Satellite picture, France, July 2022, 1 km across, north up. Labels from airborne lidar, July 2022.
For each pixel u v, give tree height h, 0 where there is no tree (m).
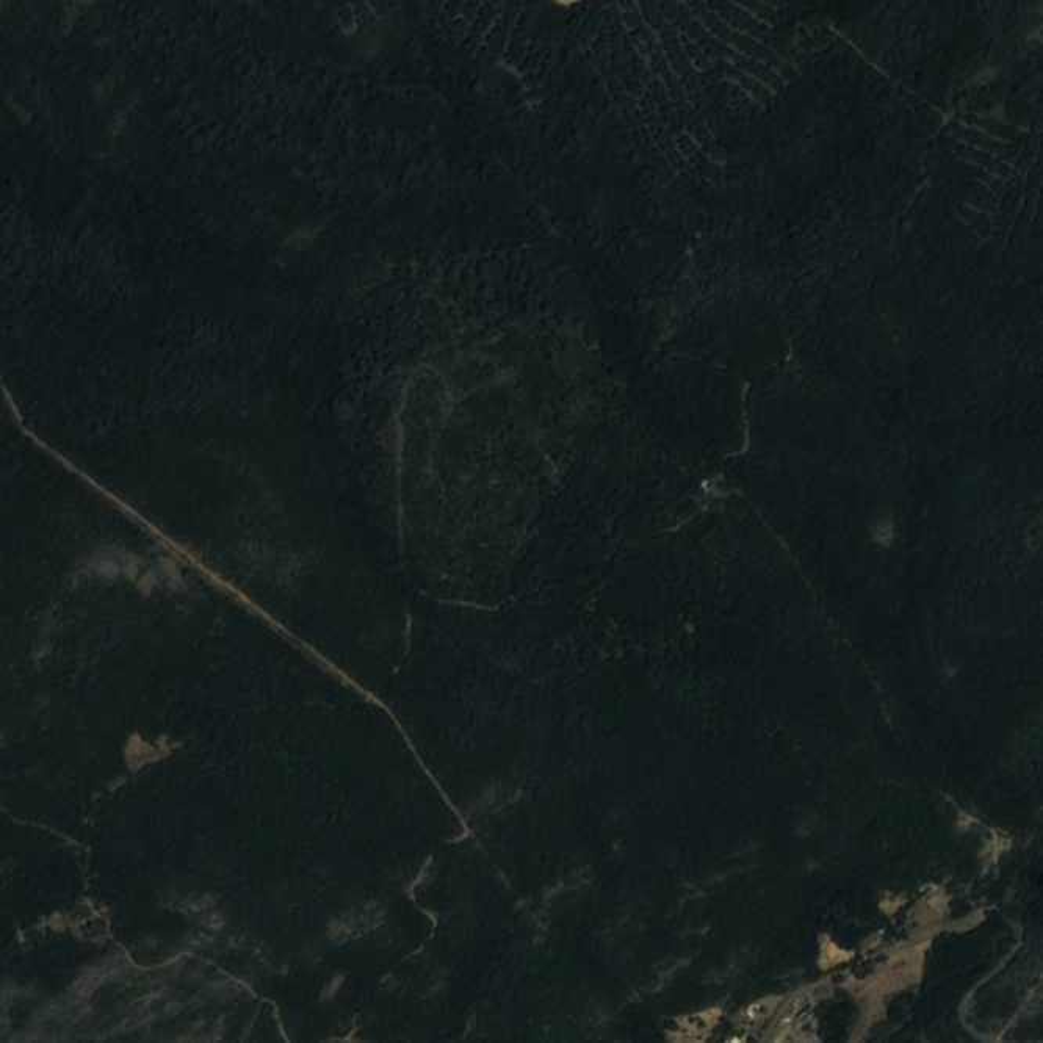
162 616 6
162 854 8
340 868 9
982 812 7
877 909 11
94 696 6
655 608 12
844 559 11
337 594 9
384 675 7
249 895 6
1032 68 15
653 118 17
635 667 16
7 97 11
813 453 9
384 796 8
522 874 8
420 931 9
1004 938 10
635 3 19
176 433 10
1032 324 10
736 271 17
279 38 8
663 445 8
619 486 12
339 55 11
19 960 9
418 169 17
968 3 8
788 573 6
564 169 9
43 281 15
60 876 9
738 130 17
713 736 14
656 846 9
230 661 10
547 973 7
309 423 21
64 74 9
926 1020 10
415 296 13
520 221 11
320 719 7
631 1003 10
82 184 13
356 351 10
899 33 11
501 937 8
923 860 10
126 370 10
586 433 6
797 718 7
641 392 12
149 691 11
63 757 7
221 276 10
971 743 8
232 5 9
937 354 6
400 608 8
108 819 8
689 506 11
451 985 9
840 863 8
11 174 10
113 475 9
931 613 6
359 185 14
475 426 9
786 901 8
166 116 14
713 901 6
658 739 10
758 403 9
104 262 25
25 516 9
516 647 9
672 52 17
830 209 14
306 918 7
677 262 14
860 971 12
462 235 6
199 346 14
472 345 7
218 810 9
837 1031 9
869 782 9
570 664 13
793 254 16
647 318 8
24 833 7
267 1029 9
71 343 8
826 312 8
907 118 14
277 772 8
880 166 13
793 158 13
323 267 9
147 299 12
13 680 5
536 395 6
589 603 16
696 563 8
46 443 10
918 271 8
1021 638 11
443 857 8
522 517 12
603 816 7
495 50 15
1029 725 6
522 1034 7
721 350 11
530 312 18
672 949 8
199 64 8
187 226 12
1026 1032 8
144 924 6
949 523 6
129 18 13
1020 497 6
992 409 8
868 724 6
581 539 20
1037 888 8
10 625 7
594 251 8
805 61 13
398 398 6
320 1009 7
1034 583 8
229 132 12
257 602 6
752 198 10
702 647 14
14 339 13
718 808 9
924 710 8
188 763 11
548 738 11
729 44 18
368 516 13
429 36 8
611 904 9
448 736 8
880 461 6
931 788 9
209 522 7
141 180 11
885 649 14
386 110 9
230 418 8
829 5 15
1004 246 8
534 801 6
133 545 8
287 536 7
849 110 5
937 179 10
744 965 7
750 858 6
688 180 14
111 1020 5
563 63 12
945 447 10
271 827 11
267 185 13
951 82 15
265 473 7
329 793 9
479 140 12
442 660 8
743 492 8
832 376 12
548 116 14
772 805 9
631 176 9
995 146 12
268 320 11
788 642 9
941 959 11
